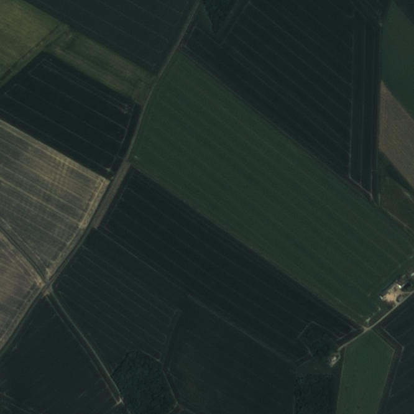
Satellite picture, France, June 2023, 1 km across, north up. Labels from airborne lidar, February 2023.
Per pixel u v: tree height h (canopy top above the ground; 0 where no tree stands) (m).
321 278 0
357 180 0
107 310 0
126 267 0
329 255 0
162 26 0
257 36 0
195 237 0
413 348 0
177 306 0
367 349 0
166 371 0
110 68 0
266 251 0
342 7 0
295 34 0
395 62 0
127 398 17
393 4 0
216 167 0
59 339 0
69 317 0
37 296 0
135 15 0
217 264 0
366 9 0
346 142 0
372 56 0
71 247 0
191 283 0
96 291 0
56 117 0
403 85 0
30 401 0
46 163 0
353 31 0
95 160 0
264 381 0
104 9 0
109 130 0
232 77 0
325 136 0
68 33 0
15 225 0
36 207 0
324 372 0
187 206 0
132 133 0
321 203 0
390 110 0
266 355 0
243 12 0
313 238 0
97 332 0
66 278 0
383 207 0
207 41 0
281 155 0
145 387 20
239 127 0
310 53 0
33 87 0
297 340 0
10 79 0
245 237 0
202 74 0
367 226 0
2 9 0
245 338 0
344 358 0
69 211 0
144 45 0
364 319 0
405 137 0
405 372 0
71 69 0
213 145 0
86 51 0
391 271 0
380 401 0
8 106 0
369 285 0
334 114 0
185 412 0
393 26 0
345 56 0
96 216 0
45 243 0
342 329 0
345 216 0
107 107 0
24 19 0
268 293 0
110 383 0
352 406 0
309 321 0
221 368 0
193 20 0
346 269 0
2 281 0
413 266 0
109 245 0
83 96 0
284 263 0
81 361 0
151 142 0
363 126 0
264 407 0
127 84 0
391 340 0
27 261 0
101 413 0
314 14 0
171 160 0
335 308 0
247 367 0
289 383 0
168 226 0
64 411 0
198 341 0
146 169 0
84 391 0
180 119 0
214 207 0
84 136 0
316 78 0
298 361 0
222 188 0
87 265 0
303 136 0
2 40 0
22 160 0
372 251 0
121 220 0
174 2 0
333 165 0
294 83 0
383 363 0
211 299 0
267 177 0
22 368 0
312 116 0
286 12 0
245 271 0
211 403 0
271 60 0
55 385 0
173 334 0
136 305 0
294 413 0
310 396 17
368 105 0
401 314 0
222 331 0
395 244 0
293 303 0
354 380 0
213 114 0
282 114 0
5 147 0
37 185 0
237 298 0
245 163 0
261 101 0
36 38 0
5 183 0
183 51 0
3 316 0
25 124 0
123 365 14
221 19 15
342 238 0
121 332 0
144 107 0
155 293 0
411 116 0
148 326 0
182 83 0
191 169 0
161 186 0
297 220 0
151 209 0
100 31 0
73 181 0
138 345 0
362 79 0
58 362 0
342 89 0
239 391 0
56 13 0
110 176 0
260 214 0
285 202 0
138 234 0
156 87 0
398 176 0
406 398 0
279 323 0
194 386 0
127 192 0
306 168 0
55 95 0
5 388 0
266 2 0
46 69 0
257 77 0
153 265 0
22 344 0
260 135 0
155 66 0
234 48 0
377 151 0
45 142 0
